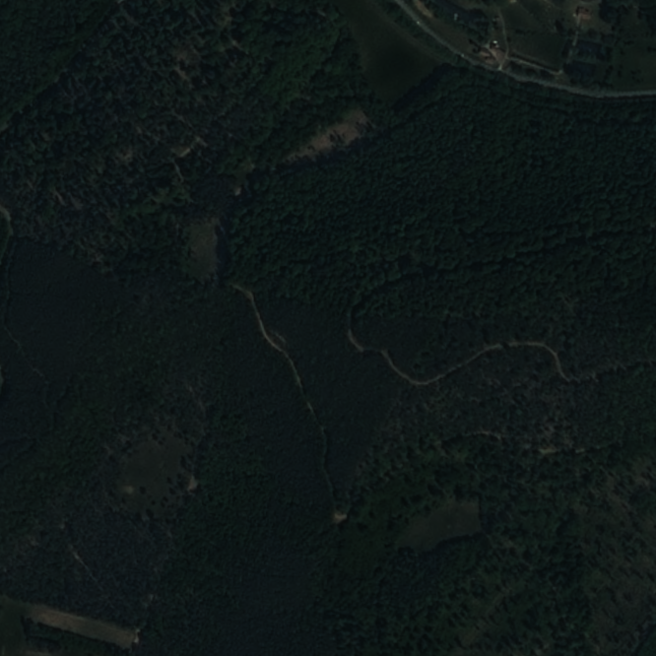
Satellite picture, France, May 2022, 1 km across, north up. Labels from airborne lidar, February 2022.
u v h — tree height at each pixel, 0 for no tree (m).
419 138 28
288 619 20
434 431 9
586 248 31
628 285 24
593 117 27
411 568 16
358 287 28
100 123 27
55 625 0
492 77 13
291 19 31
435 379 10
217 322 23
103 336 20
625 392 23
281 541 19
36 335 17
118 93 29
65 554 25
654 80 0
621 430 22
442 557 15
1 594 16
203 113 26
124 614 24
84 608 24
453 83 26
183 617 21
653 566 0
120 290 19
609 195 27
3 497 25
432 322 14
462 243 35
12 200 8
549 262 31
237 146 28
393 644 8
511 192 31
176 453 0
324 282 26
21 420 21
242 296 18
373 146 30
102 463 21
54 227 27
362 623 10
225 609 23
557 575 29
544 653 32
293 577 16
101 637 0
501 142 33
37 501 19
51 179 26
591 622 19
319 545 16
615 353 21
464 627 30
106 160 24
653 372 19
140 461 0
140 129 24
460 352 7
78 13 26
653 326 23
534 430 18
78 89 32
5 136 8
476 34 11
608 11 26
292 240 28
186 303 24
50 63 31
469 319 10
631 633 0
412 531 0
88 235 21
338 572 22
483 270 30
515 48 0
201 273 0
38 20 27
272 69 24
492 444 36
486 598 32
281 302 19
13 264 15
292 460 20
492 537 30
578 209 29
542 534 28
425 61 0
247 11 30
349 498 8
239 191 0
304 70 31
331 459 16
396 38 0
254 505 22
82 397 24
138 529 25
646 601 0
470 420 7
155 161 8
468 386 11
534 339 9
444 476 33
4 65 27
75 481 23
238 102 24
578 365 19
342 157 29
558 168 30
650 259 32
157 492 0
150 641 20
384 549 11
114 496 20
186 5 32
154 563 28
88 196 32
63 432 20
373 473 9
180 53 0
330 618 29
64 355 15
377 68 0
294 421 17
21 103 22
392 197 28
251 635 22
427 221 29
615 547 0
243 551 18
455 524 0
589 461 29
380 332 18
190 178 26
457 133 28
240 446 20
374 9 0
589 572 27
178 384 23
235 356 20
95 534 22
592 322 21
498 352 7
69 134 30
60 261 15
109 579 25
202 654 17
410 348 16
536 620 32
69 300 19
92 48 27
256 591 19
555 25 0
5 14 29
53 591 20
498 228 28
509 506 32
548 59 0
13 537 24
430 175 24
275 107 28
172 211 24
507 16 0
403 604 15
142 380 20
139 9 27
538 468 13
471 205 33
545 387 21
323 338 16
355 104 19
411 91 0
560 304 25
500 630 0
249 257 27
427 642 32
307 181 31
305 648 19
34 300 17
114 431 24
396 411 8
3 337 19
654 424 22
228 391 20
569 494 23
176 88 27
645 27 0
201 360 22
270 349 16
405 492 7
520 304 23
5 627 0
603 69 0
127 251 9
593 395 21
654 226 0
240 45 33
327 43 21
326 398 17
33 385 18
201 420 26
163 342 26
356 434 16
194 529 0
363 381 17
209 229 0
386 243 33
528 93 19
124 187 35
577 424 23
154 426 25
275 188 30
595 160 30
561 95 15
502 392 26
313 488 18
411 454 27
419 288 28
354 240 30
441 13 20
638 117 23
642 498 25
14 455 19
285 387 19
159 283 25
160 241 25
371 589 20
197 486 0
